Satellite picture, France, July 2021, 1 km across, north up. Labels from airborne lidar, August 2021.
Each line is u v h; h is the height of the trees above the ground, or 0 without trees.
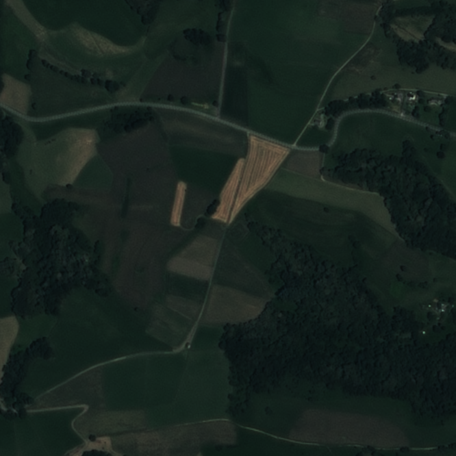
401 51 13
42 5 0
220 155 0
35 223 20
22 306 21
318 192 0
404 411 0
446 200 24
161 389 0
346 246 0
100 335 0
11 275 13
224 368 0
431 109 9
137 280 0
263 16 0
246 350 29
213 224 0
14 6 0
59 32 0
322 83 0
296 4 0
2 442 0
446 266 0
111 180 0
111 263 0
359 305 19
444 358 19
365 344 15
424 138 0
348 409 0
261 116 0
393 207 20
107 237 0
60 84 0
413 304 0
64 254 17
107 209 0
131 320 0
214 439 0
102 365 0
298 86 0
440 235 25
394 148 0
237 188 0
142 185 0
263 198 0
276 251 17
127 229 0
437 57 17
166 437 0
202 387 0
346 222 0
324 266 24
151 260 0
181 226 0
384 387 18
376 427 0
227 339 20
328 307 23
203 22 0
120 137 0
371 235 0
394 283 0
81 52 0
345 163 20
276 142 0
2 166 20
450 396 18
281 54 0
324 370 25
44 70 0
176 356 0
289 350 18
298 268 25
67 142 0
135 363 0
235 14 0
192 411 0
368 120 0
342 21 0
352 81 0
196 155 0
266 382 7
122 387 0
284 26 0
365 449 6
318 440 0
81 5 0
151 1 23
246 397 6
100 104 0
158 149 0
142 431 0
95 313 0
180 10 0
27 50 0
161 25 0
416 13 16
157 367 0
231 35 0
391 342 19
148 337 0
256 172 0
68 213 8
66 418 0
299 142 0
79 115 0
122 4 0
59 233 22
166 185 0
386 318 20
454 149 0
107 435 0
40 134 0
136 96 0
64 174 0
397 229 7
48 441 0
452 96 6
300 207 0
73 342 0
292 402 0
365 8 0
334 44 0
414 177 19
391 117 0
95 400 0
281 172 0
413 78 0
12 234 0
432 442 0
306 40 0
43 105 0
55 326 0
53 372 0
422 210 17
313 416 0
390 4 15
